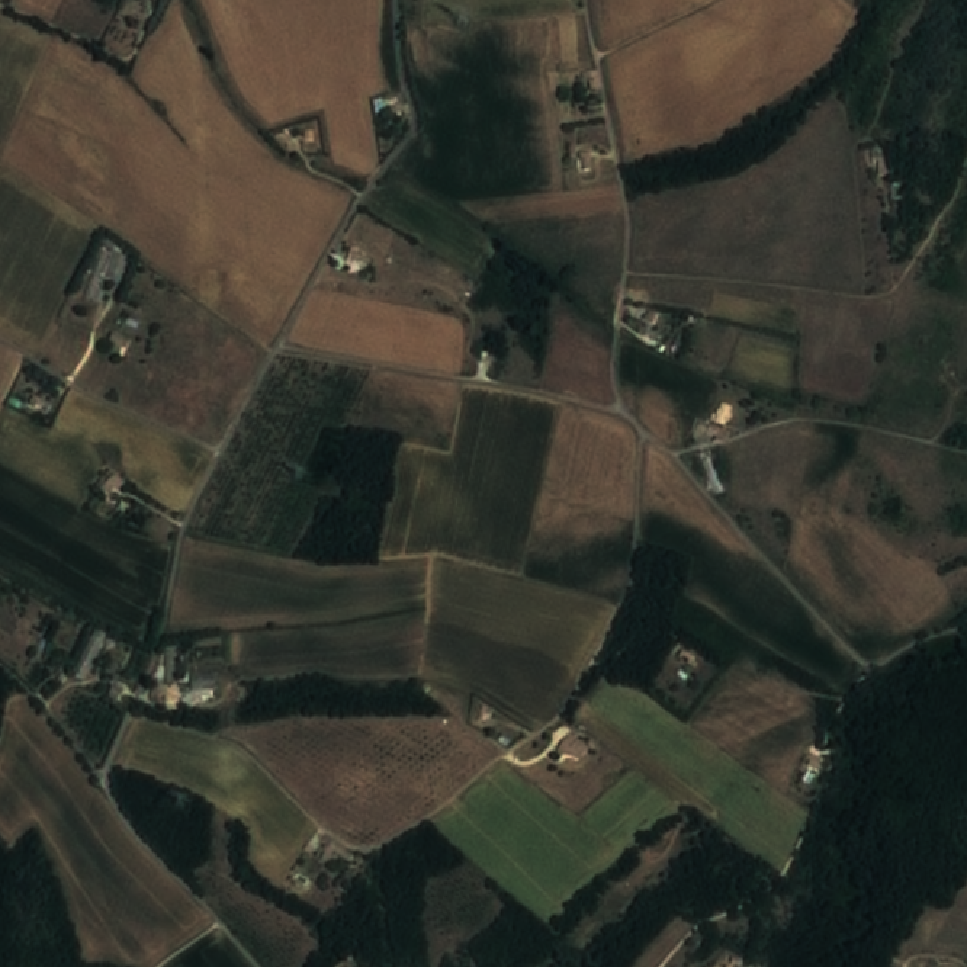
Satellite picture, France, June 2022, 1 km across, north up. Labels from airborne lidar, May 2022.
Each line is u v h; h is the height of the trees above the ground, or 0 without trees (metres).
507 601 0
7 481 0
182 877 11
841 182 0
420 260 0
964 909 0
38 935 8
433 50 0
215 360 0
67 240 0
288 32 0
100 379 0
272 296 0
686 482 0
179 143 0
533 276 19
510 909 11
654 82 0
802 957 18
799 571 0
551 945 16
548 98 0
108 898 0
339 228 0
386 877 10
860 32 15
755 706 0
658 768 0
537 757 0
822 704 6
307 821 0
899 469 0
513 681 0
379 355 0
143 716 9
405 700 10
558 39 0
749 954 10
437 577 0
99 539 0
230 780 0
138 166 0
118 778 9
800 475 0
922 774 11
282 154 7
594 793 0
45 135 0
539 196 0
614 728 0
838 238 0
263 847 0
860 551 0
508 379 0
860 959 19
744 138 11
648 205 0
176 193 0
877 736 9
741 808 0
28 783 0
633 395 0
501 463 0
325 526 12
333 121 0
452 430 0
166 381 0
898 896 14
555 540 0
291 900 11
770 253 0
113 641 13
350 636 0
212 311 0
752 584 0
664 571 16
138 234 0
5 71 0
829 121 0
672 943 0
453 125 0
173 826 12
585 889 8
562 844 0
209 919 0
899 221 9
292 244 0
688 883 15
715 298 0
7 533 0
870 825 25
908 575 0
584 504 0
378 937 12
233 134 0
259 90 0
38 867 14
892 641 0
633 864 13
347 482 14
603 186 0
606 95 0
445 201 0
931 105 0
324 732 0
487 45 0
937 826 7
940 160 6
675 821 10
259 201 0
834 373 0
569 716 8
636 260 0
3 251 0
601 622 0
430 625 0
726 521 0
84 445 0
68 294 13
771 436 0
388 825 0
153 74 0
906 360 0
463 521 0
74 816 0
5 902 11
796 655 0
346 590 0
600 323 0
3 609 0
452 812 0
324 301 0
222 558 0
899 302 0
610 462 0
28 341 0
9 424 0
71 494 0
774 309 0
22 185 0
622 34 0
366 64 0
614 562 0
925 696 8
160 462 0
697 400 0
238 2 0
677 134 0
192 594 0
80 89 0
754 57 0
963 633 16
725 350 0
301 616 0
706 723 0
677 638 9
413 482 0
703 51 0
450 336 0
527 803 0
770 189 0
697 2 0
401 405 0
